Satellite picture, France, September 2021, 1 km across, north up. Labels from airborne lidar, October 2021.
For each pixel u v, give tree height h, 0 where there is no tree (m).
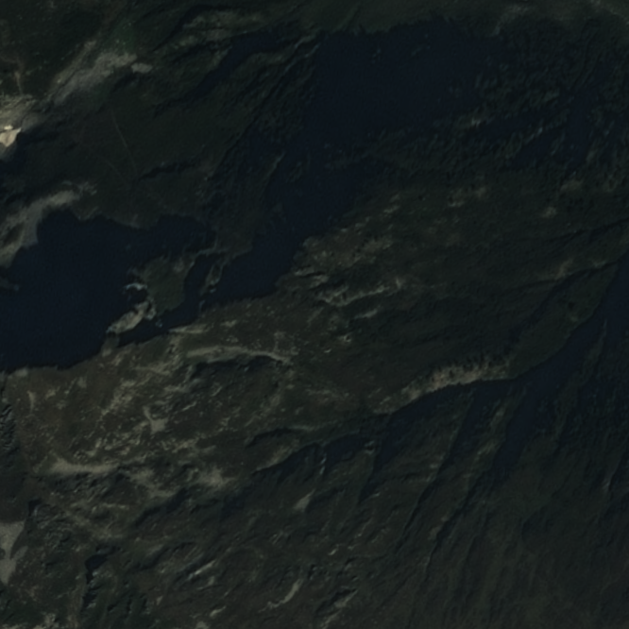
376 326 0
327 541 0
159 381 0
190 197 0
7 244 0
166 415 0
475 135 6
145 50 0
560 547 0
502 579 0
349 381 0
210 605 0
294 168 8
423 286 0
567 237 6
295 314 0
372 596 0
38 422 0
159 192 0
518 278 0
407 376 0
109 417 0
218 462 0
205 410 0
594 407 9
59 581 0
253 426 0
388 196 0
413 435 0
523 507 0
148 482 0
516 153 13
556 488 0
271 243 0
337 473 0
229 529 0
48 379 0
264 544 0
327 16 0
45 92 0
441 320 0
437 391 0
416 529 0
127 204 0
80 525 0
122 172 0
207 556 0
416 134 9
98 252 0
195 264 0
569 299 7
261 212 0
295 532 0
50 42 0
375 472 0
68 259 0
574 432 8
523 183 0
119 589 0
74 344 0
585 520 0
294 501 0
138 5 0
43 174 0
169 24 5
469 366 14
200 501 0
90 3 0
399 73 11
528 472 0
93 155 0
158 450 0
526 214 0
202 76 5
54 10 0
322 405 0
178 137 0
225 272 0
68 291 0
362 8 0
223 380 0
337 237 0
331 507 0
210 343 0
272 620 0
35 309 0
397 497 0
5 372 0
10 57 0
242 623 0
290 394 0
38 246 0
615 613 0
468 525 0
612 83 10
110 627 0
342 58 7
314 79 7
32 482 0
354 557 0
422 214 0
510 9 0
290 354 0
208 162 0
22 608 0
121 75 0
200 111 0
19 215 0
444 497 0
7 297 0
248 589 0
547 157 7
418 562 0
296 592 0
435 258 0
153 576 0
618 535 0
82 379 0
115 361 0
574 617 0
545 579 0
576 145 12
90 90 0
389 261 0
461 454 0
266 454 0
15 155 0
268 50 7
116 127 0
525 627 0
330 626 0
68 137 0
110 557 0
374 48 6
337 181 0
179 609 0
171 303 0
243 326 0
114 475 0
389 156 0
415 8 0
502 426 6
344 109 11
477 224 7
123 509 0
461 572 0
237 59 7
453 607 0
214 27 7
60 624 9
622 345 8
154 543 0
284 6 0
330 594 0
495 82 9
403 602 0
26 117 0
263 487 0
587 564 0
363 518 0
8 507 0
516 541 0
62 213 0
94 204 0
